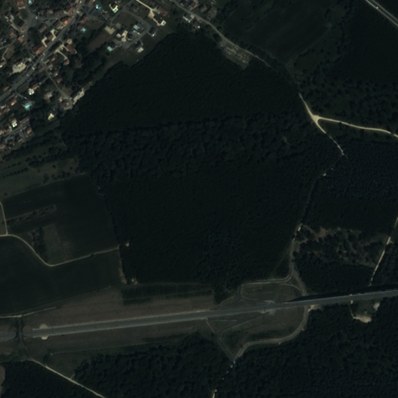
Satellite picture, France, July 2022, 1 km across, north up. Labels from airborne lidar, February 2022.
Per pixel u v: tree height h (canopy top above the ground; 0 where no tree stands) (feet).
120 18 0
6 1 0
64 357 0
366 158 66
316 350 92
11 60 19
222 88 38
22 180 0
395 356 79
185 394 79
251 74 29
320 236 0
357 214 66
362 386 85
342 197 67
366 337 63
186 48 19
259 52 56
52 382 59
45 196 0
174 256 32
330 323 60
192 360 105
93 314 0
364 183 76
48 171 0
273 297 0
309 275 60
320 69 67
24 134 0
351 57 28
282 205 46
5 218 0
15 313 0
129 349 0
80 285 0
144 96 26
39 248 32
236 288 55
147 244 45
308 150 87
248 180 57
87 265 0
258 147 104
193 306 0
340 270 70
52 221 0
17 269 0
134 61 0
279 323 0
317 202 71
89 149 82
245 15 0
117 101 29
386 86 70
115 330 0
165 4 0
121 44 0
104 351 0
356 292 0
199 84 21
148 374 94
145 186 31
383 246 63
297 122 42
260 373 90
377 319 41
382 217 53
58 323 0
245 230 80
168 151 69
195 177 30
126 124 26
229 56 0
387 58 25
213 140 108
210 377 65
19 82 0
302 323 0
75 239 0
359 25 27
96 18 0
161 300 0
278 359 98
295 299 0
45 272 0
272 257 67
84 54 43
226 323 0
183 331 0
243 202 68
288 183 60
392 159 79
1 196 0
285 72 67
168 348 25
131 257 29
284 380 54
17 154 36
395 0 34
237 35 0
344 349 88
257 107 37
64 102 0
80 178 0
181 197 31
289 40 0
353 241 91
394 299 46
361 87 81
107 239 0
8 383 59
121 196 36
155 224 35
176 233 30
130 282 29
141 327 0
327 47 0
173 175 51
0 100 0
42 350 0
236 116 31
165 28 0
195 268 41
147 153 105
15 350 0
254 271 52
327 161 71
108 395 49
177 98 24
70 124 29
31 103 0
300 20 0
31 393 70
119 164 100
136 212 45
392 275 32
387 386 87
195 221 41
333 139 25
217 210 40
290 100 30
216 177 35
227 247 70
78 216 0
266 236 75
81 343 0
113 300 0
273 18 0
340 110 0
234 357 0
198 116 22
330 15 46
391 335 87
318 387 91
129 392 75
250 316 0
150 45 0
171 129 90
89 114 27
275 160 83
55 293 0
